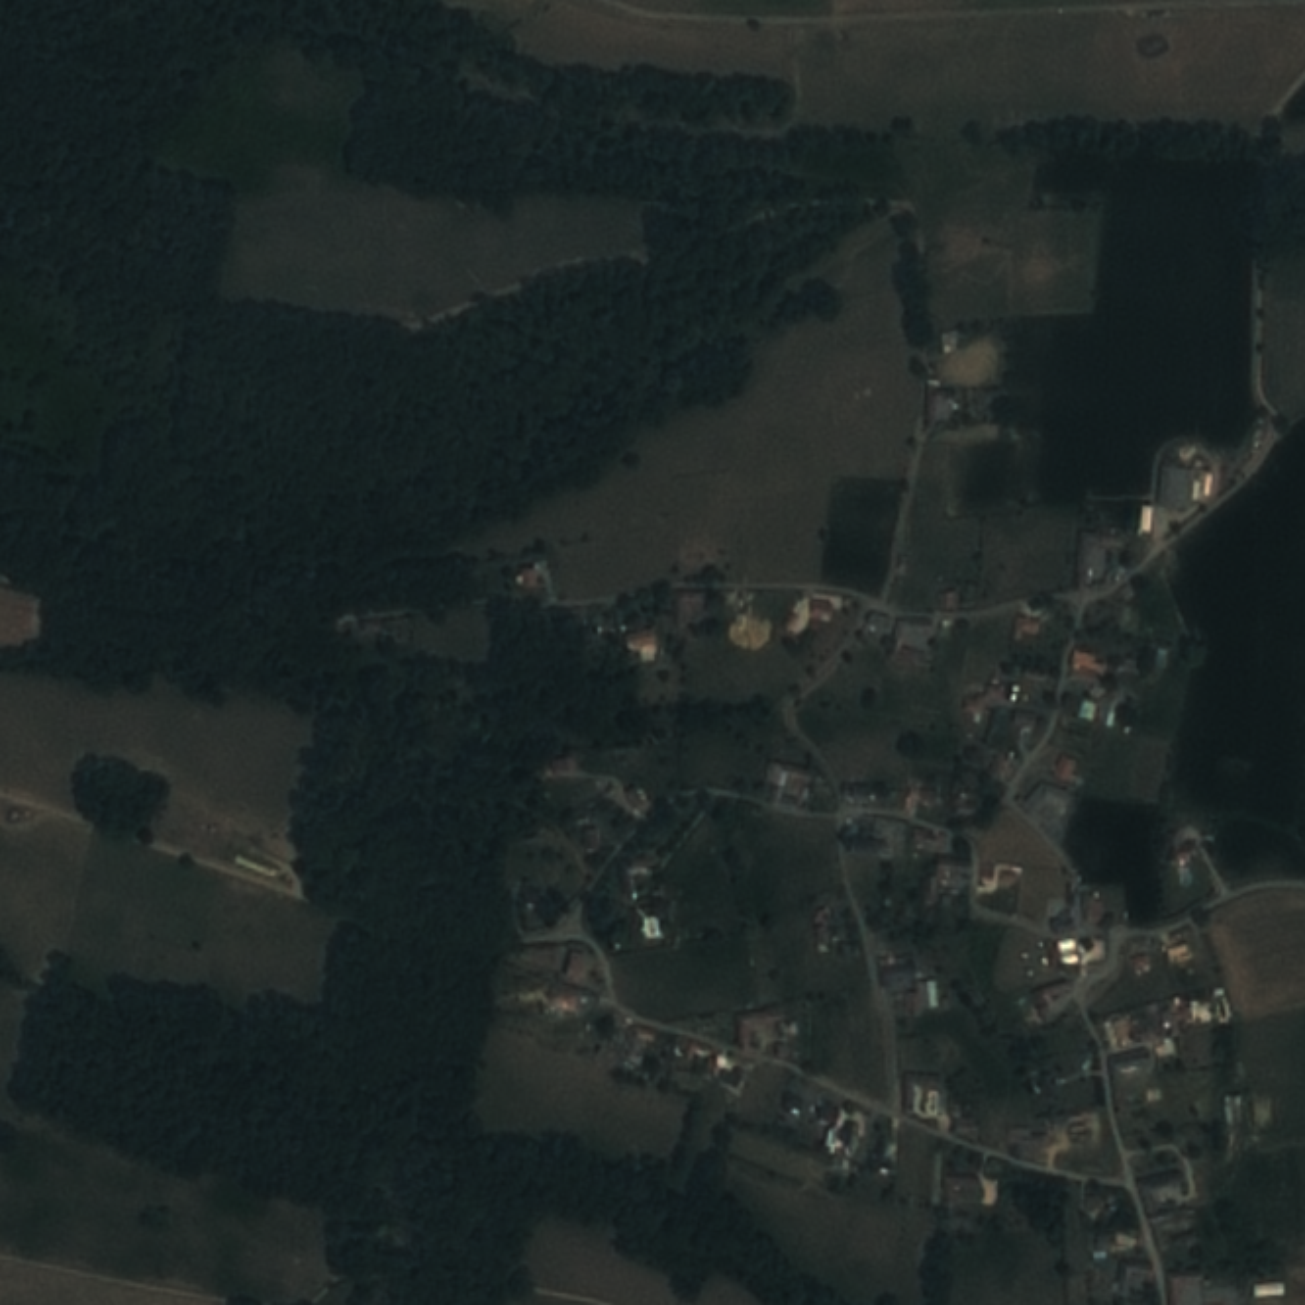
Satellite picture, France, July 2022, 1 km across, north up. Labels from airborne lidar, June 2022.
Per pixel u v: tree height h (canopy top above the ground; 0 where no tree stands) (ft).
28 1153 0
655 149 64
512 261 0
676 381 73
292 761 0
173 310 41
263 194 0
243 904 0
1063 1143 0
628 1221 73
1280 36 0
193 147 0
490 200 73
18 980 47
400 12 42
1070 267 0
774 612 0
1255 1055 0
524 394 95
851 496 0
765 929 26
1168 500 0
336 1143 74
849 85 0
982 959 0
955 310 0
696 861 0
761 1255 80
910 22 0
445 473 96
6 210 47
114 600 59
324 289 0
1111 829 0
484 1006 70
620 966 0
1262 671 0
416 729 106
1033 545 0
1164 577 0
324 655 32
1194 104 0
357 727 69
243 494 90
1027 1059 48
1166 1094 0
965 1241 35
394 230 0
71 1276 0
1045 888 0
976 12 0
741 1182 0
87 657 96
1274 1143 0
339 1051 90
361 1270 67
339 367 72
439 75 70
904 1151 0
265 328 63
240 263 0
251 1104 82
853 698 0
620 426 90
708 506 0
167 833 0
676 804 24
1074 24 0
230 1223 0
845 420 0
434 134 75
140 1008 85
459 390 52
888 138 30
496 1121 0
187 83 80
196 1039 73
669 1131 0
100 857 0
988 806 38
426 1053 79
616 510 0
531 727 25
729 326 52
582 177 73
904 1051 0
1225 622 0
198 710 0
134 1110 44
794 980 0
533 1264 0
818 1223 0
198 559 70
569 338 80
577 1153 90
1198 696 0
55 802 0
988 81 0
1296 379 0
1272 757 0
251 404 75
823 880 0
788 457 0
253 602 79
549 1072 0
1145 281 0
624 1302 0
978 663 0
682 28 0
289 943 0
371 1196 61
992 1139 0
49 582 81
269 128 0
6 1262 0
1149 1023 0
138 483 84
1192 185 0
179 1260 0
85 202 65
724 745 0
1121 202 0
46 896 0
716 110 80
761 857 0
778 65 0
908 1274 0
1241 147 62
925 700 0
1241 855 0
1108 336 0
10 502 90
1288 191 96
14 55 55
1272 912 0
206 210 63
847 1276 0
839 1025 0
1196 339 0
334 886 58
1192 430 0
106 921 0
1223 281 0
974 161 0
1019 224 0
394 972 77
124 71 53
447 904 72
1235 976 0
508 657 69
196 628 73
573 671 86
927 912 22
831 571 0
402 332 46
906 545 0
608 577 0
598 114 88
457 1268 69
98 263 59
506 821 76
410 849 84
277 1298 0
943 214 0
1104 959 0
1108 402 0
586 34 0
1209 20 0
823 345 0
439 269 0
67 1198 0
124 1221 0
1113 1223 25
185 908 0
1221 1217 38
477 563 28
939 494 0
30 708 0
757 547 0
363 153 62
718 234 44
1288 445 0
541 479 81
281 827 0
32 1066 70
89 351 21
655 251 49
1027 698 0
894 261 0
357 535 92
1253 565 0
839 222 56
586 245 0
